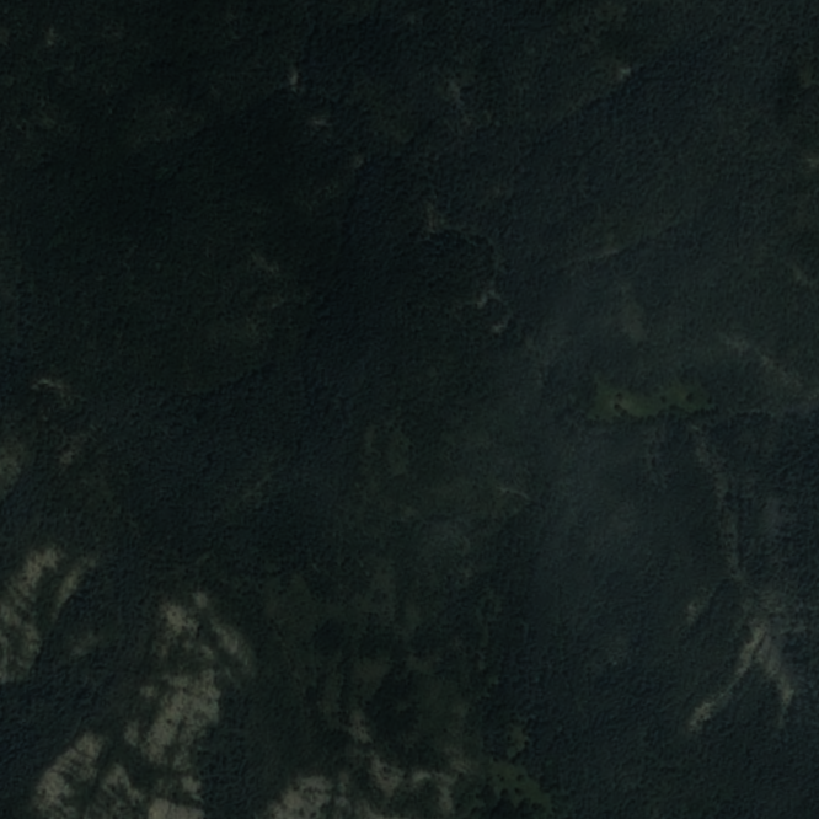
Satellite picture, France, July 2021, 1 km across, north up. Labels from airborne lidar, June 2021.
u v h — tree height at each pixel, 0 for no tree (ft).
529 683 34
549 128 26
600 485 31
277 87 24
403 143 22
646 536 23
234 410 51
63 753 0
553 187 28
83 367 32
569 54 22
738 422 30
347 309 52
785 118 24
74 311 33
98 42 21
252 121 72
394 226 44
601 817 33
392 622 18
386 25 44
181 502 45
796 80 19
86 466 20
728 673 27
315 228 41
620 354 36
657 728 26
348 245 50
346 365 43
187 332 30
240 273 20
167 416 51
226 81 20
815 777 37
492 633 26
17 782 21
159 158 40
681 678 35
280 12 47
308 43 60
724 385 29
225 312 31
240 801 21
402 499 20
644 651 38
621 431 46
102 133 26
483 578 31
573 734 24
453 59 31
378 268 35
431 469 30
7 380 21
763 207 26
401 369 34
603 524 31
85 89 26
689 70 27
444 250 67
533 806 19
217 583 18
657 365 26
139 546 24
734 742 40
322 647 23
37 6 34
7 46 24
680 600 28
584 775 31
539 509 35
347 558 30
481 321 34
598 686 29
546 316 41
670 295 26
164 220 46
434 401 23
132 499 28
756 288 24
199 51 43
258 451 39
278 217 36
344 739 31
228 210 29
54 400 25
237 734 27
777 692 38
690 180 24
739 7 27
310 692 18
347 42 52
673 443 39
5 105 28
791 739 21
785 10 23
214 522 19
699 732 28
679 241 24
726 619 39
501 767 0
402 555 22
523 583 40
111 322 28
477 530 25
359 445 24
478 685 28
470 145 38
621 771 25
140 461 26
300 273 27
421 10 21
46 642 32
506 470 34
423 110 27
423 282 43
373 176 42
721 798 28
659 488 27
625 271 27
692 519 36
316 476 39
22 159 25
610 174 34
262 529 43
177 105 26
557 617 44
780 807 32
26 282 24
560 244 27
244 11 37
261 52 27
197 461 51
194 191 52
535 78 32
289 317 42
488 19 30
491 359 35
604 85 33
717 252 26
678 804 27
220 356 35
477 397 31
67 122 22
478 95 23
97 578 37
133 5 44
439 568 21
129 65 28
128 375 35
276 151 51
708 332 30
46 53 28
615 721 33
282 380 49
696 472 33
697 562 31
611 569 22
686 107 24
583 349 42
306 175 31
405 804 18
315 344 52
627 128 25
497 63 27
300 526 31
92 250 33
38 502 32
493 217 51
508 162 30
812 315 21
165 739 0
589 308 31
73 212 33
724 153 28
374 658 19
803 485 29
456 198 38
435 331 31
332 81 39
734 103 24
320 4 31
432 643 22
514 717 40
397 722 25
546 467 53
